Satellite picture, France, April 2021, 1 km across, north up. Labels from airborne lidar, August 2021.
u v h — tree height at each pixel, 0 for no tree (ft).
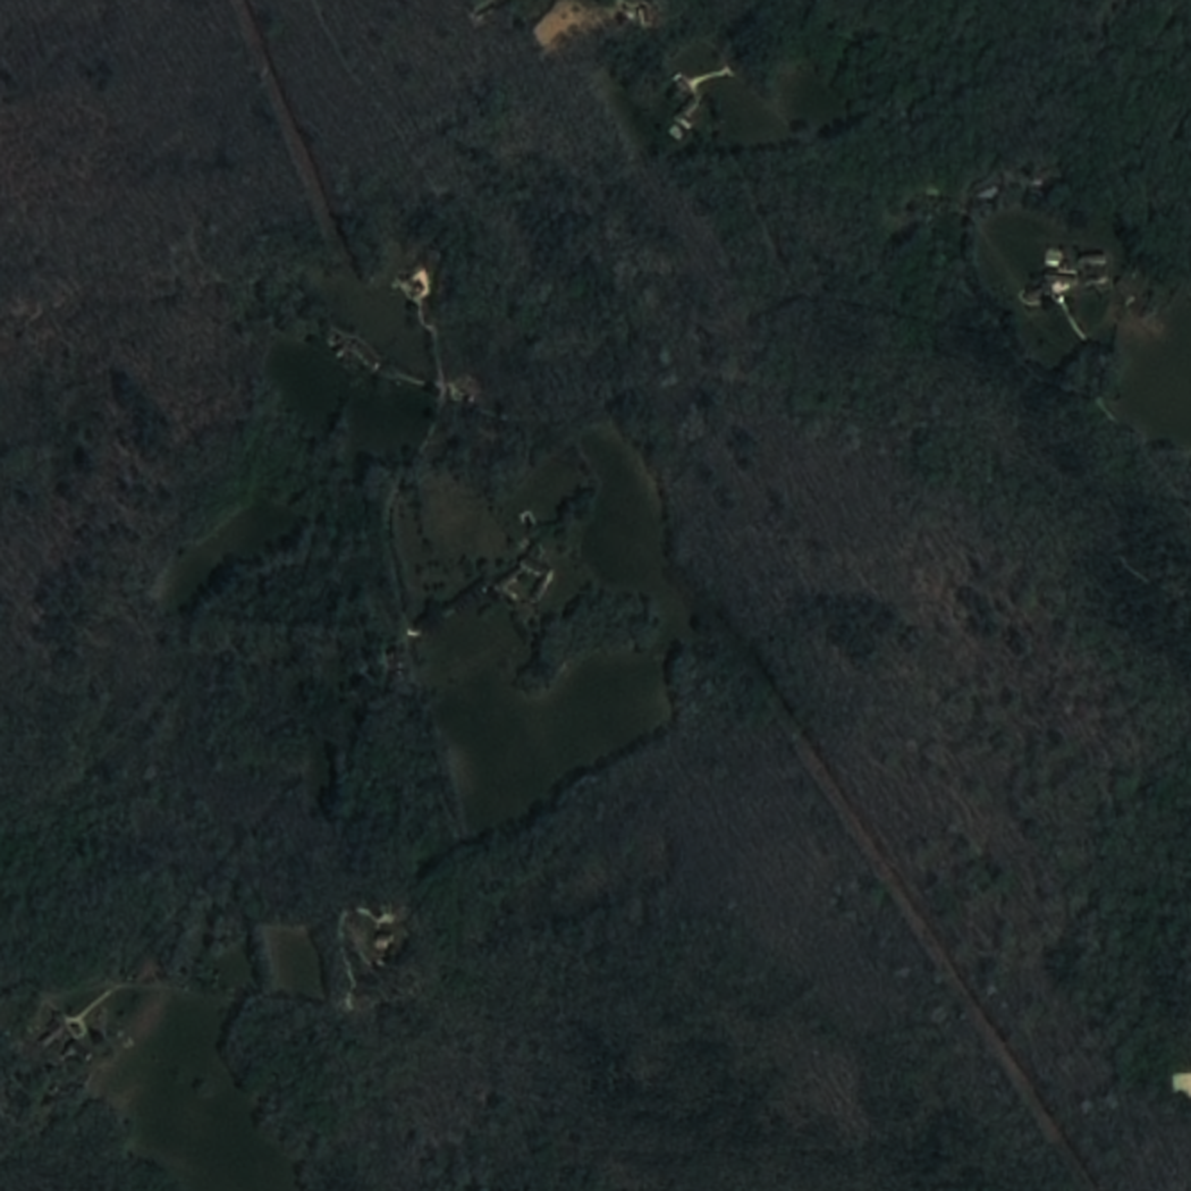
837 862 61
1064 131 48
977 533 53
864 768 58
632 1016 61
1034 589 75
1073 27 45
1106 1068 77
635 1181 72
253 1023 63
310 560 36
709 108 26
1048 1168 61
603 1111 42
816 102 0
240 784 43
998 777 45
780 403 62
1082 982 58
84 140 23
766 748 73
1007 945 70
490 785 0
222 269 64
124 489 42
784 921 57
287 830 48
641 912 73
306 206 57
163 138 40
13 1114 46
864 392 63
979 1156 49
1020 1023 80
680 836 73
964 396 67
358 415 0
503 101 66
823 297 33
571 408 71
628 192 70
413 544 0
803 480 46
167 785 62
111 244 41
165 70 54
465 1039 64
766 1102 42
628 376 83
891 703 70
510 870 59
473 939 91
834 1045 55
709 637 57
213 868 56
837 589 58
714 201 88
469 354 78
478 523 0
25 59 33
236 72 52
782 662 75
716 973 45
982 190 0
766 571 72
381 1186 53
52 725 42
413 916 41
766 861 64
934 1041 61
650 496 0
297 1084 53
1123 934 76
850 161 78
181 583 0
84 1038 0
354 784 52
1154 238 54
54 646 100
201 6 49
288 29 51
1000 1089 61
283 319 76
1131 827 89
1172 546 28
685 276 60
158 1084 0
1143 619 40
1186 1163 45
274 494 41
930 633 44
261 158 52
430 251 40
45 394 41
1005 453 56
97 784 66
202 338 26
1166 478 63
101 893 77
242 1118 0
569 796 60
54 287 45
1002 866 52
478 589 23
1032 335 0
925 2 64
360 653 43
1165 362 0
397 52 67
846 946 59
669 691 40
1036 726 48
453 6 55
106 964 66
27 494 57
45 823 76
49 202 36
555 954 76
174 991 40
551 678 61
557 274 71
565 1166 79
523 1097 66
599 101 64
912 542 61
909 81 63
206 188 40
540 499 0
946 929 52
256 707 58
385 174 62
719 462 53
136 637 68
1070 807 79
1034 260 0
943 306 69
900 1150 35
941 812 41
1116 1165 86
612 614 45
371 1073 70
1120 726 43
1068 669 31
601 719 0
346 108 56
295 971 0
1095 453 62
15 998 26
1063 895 73
